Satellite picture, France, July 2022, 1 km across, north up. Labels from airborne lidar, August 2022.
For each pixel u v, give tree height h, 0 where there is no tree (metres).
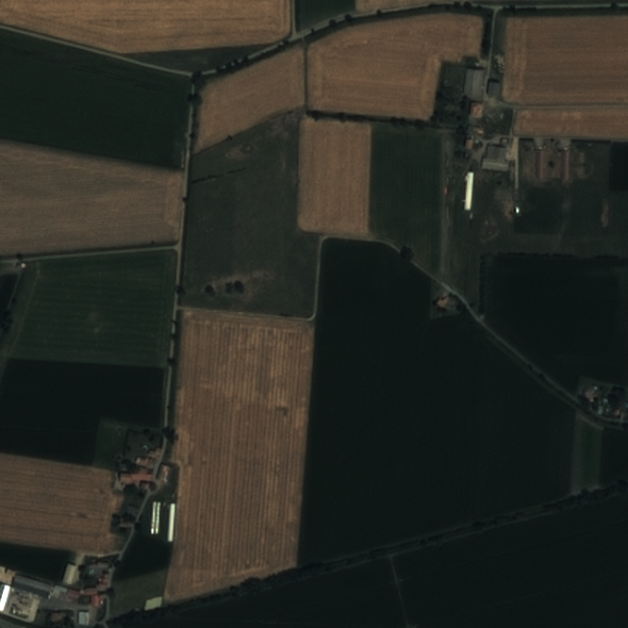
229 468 0
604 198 0
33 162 0
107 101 0
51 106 0
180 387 0
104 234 0
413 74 0
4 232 0
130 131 0
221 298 0
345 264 0
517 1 0
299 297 0
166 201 0
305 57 0
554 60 0
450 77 0
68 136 0
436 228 0
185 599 0
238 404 0
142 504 0
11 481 0
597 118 0
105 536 0
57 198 0
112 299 0
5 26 0
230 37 0
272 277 0
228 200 0
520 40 0
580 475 0
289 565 0
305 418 0
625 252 0
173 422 0
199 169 0
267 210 0
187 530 0
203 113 0
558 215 0
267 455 0
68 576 0
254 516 0
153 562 0
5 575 0
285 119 0
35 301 0
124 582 0
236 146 0
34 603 0
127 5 0
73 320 0
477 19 0
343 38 0
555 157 0
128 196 0
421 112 0
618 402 12
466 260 0
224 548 0
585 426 0
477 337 0
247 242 0
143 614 10
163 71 0
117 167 0
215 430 0
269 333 0
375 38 0
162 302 0
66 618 7
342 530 0
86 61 0
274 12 0
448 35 0
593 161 0
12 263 0
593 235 0
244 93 0
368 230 0
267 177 0
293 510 0
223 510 0
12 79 0
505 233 0
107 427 0
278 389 0
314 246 0
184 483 0
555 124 0
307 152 0
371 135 0
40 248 0
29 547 0
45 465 0
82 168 0
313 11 0
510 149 0
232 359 0
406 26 0
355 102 0
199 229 0
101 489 0
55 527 0
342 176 0
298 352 0
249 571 0
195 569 0
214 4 0
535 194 0
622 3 0
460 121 7
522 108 0
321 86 0
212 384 0
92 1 0
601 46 0
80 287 0
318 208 0
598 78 0
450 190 0
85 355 0
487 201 0
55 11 0
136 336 0
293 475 0
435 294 0
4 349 0
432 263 0
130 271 0
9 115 0
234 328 0
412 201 0
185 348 0
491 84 0
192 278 0
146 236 0
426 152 0
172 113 0
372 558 9
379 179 0
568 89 0
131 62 0
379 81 0
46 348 0
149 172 0
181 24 0
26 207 0
